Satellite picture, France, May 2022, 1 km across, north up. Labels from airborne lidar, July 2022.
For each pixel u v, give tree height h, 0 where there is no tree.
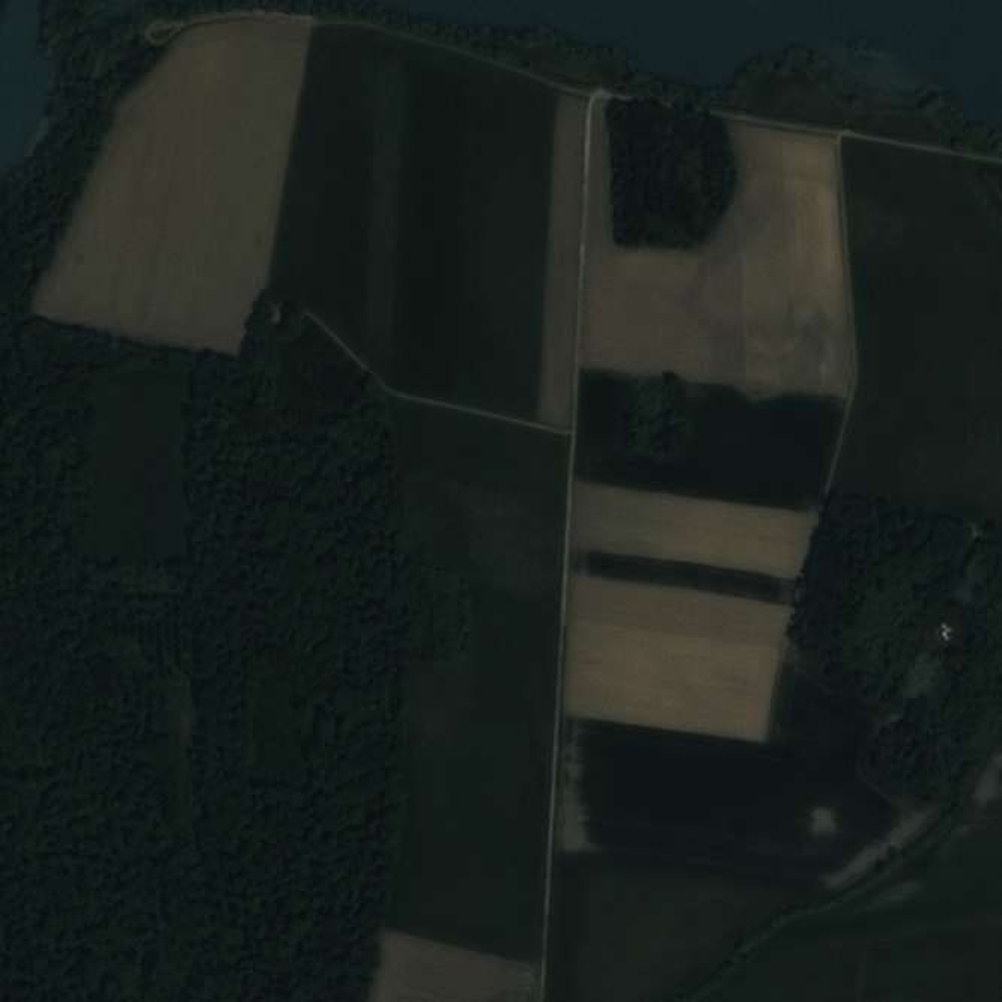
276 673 7
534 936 0
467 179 0
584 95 0
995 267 0
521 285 0
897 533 20
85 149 17
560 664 0
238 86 0
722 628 0
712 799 0
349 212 0
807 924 0
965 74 0
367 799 7
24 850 22
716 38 0
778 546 0
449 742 0
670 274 0
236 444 21
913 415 0
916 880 0
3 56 0
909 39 0
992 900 0
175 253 0
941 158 0
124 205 0
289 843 24
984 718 12
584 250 0
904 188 0
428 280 0
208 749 27
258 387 21
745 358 0
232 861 22
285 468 23
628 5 0
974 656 9
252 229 0
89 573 27
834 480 0
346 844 23
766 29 0
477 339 0
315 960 25
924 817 0
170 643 21
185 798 7
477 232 0
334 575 25
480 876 0
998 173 0
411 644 18
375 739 14
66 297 0
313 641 20
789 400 0
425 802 0
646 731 0
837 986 0
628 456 0
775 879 0
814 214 0
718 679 0
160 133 0
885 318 0
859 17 0
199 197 0
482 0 0
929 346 0
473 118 0
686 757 0
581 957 0
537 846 0
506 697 0
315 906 18
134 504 0
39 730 25
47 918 25
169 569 15
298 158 0
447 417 0
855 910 0
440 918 0
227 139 0
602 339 0
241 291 0
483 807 0
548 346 0
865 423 0
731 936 0
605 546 0
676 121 18
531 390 0
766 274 0
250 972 27
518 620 0
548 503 0
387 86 0
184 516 0
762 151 0
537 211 0
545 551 0
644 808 0
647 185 17
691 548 0
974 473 0
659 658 0
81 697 26
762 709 0
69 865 17
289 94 0
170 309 0
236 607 13
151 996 29
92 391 23
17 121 0
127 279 0
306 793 14
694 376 0
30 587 16
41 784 29
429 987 0
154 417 0
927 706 16
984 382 0
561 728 0
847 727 0
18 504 25
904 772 13
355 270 0
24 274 22
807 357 0
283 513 23
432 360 0
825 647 8
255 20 0
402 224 0
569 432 0
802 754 0
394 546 16
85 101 16
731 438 0
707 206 7
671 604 0
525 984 0
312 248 0
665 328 0
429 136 0
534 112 0
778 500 0
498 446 0
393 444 18
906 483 0
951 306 0
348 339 0
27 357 29
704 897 0
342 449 33
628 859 0
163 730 21
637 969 0
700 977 0
